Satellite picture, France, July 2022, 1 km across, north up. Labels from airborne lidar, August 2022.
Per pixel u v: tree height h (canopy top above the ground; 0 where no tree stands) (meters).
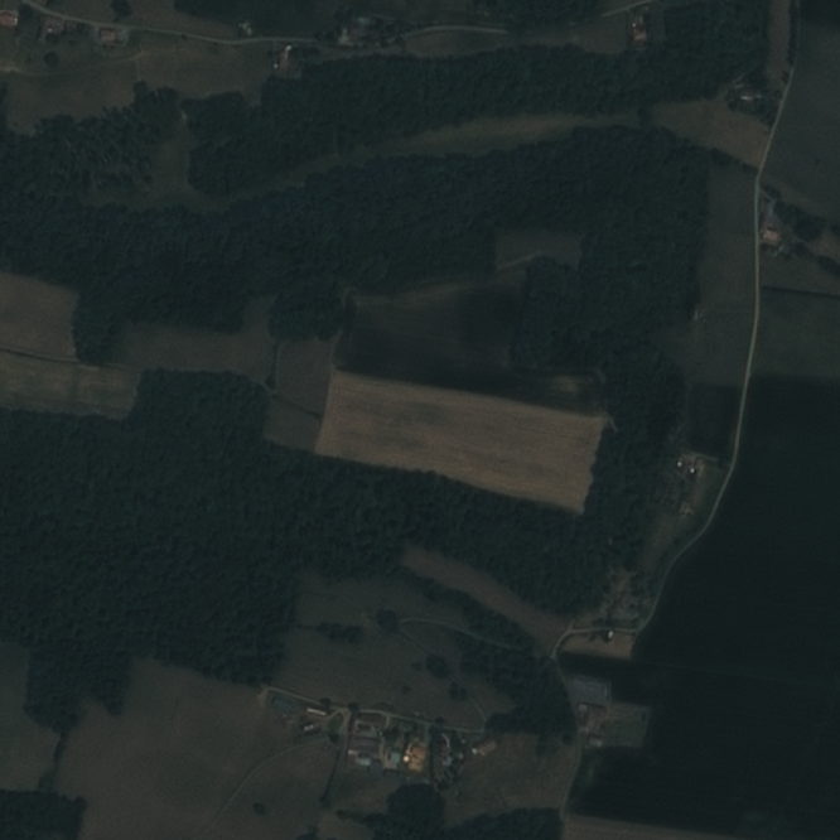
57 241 26
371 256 23
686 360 0
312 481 27
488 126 0
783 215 15
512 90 27
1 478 25
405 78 25
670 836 0
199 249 23
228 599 17
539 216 21
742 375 0
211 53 0
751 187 0
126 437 28
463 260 19
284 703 0
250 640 17
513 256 0
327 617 0
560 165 28
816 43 0
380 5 0
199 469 26
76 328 18
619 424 17
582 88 27
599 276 25
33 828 21
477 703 0
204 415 20
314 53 18
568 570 24
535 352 19
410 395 0
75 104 0
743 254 0
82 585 12
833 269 15
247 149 23
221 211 0
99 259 30
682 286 26
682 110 0
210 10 0
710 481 0
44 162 24
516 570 27
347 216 26
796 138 0
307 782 0
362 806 0
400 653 0
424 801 24
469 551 29
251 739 0
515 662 13
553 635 0
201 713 0
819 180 0
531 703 16
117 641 21
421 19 0
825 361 0
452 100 23
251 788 0
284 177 19
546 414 0
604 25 0
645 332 20
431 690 0
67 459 28
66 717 21
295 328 24
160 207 0
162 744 0
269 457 19
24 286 0
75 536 19
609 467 26
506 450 0
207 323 20
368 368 0
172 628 23
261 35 0
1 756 0
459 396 0
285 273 27
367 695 0
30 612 19
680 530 0
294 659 0
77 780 0
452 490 17
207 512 29
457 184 19
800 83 0
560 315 24
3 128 17
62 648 20
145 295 19
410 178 22
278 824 0
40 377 0
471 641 13
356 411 0
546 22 23
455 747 15
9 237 26
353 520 28
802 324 0
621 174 24
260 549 12
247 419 17
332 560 11
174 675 0
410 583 6
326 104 25
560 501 0
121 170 0
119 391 0
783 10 0
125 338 0
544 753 9
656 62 24
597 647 0
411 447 0
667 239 27
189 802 0
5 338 0
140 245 29
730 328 0
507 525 28
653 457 14
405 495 8
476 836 23
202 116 22
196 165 21
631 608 9
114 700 10
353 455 0
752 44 24
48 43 11
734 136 0
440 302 0
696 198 26
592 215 23
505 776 0
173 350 0
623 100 27
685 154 21
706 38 24
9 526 23
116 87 0
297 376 0
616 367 21
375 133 19
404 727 0
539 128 0
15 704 0
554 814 18
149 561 33
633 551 15
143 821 0
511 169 23
